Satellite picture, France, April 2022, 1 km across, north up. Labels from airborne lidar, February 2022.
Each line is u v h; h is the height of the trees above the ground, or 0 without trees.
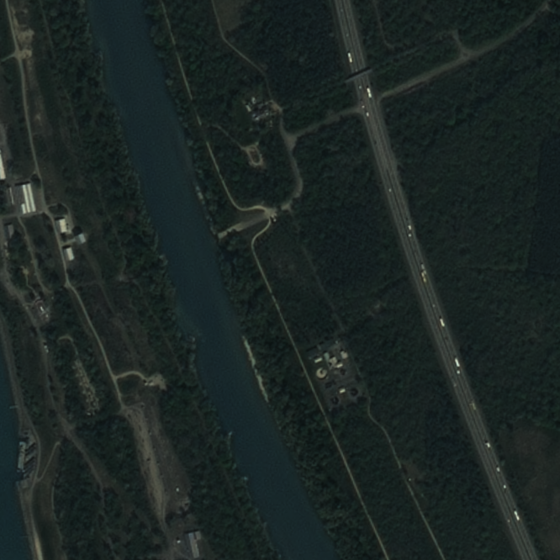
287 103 16
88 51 17
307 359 0
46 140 0
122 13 0
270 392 15
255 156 0
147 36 0
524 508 12
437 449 17
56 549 0
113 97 0
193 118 15
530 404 17
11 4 0
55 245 0
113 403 16
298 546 0
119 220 17
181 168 0
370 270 19
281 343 17
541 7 0
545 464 0
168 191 0
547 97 18
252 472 0
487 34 15
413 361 10
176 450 7
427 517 11
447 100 7
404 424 7
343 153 21
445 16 11
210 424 19
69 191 8
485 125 20
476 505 13
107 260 0
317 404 12
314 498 11
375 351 5
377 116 0
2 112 0
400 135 14
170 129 0
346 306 15
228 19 0
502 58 13
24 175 0
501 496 0
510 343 10
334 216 21
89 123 32
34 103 0
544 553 7
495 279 9
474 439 0
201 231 0
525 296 9
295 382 16
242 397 0
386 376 14
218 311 0
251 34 19
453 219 15
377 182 12
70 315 18
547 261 19
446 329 0
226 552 14
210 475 16
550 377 12
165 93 0
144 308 12
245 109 0
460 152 19
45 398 0
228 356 0
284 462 0
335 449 14
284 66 18
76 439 0
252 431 0
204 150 15
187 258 0
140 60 0
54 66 12
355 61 0
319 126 0
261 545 16
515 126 18
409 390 9
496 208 19
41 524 0
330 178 14
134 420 0
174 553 0
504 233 17
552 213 19
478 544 11
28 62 0
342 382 0
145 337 0
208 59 14
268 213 0
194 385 16
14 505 0
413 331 11
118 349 0
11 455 0
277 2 15
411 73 6
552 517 0
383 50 15
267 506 0
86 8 0
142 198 15
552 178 20
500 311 12
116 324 0
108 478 0
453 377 0
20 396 0
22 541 0
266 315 14
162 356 14
